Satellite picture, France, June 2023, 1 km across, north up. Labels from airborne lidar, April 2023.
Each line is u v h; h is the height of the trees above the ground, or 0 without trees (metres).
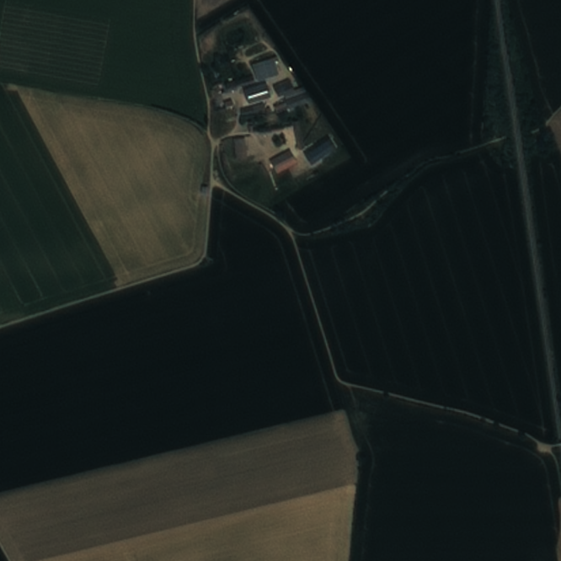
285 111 12
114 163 0
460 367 0
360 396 0
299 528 0
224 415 0
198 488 0
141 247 0
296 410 0
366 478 0
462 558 0
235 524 0
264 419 0
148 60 0
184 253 0
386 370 0
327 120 0
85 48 0
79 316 0
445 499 0
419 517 0
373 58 0
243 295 0
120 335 0
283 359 0
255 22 0
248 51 0
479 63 0
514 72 14
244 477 0
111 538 0
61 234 0
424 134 0
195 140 0
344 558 0
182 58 0
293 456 0
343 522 0
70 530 0
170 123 0
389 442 0
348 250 0
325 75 0
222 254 0
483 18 0
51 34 0
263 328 0
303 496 0
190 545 0
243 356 0
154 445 0
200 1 0
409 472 0
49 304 0
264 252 0
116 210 0
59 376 0
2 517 0
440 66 0
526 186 0
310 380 0
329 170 0
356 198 0
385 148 0
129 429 0
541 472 0
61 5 0
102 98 0
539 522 0
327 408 0
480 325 0
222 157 0
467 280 0
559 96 0
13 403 0
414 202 0
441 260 0
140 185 0
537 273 0
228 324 0
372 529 0
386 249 0
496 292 0
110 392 0
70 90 0
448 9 0
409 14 0
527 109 9
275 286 0
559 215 0
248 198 0
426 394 0
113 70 0
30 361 0
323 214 0
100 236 0
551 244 0
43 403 0
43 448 0
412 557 0
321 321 0
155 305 0
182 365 0
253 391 0
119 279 0
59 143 0
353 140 0
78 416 0
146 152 0
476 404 0
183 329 0
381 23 0
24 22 0
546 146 19
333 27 0
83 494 0
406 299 0
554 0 0
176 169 0
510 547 0
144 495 0
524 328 0
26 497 0
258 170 0
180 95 0
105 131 0
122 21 0
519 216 0
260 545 0
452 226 0
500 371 0
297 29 0
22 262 0
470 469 0
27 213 0
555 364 0
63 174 0
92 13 0
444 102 0
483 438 0
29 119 0
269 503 0
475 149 0
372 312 0
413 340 0
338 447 0
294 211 0
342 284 0
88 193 0
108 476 0
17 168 0
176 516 0
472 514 0
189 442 0
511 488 0
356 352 0
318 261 0
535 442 0
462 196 0
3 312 0
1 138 0
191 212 0
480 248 0
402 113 0
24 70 0
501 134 8
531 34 0
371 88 0
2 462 0
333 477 0
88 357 0
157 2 0
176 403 0
